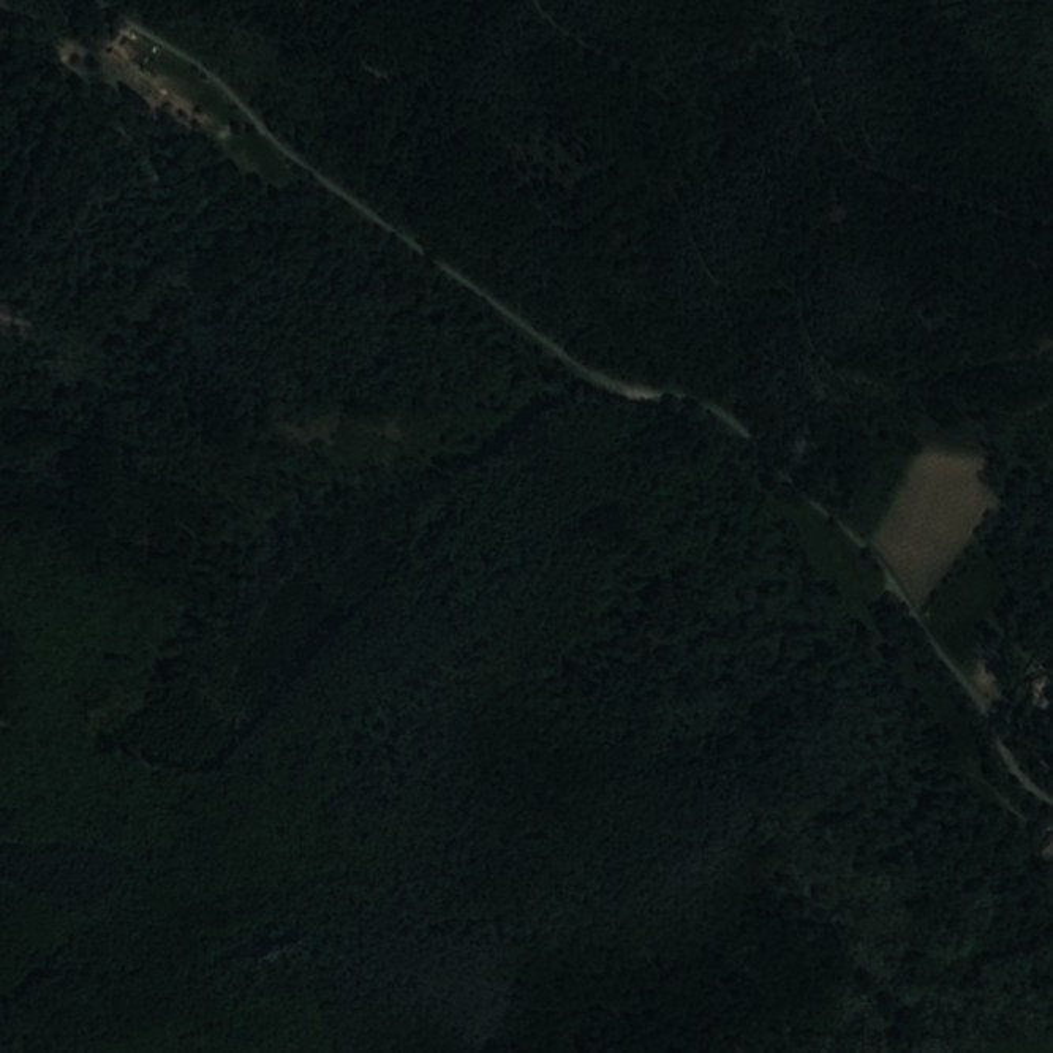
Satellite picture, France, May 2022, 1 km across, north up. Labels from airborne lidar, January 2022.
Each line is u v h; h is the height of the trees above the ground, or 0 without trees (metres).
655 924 17
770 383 20
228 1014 11
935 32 26
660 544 25
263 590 24
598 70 18
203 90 0
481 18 23
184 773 18
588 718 18
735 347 19
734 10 24
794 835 14
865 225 16
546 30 17
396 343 26
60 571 23
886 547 0
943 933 19
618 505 18
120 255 19
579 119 20
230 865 22
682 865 15
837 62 15
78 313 14
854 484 19
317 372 16
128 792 17
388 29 17
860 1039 25
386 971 17
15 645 14
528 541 14
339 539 21
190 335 31
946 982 24
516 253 24
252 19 16
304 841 11
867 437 20
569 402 26
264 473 7
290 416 10
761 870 17
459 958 13
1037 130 18
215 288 32
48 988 20
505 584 15
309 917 16
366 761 16
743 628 22
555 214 11
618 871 21
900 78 21
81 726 22
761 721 24
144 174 26
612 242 26
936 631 0
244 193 24
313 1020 15
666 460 20
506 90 14
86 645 20
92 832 13
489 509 10
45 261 17
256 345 23
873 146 7
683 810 20
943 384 21
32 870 14
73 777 22
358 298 32
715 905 22
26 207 23
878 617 14
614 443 18
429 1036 25
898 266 20
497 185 22
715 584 25
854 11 22
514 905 16
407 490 26
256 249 25
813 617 29
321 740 11
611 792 19
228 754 14
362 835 19
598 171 7
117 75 0
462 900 18
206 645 25
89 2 24
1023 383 15
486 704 18
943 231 19
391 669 19
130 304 23
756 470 14
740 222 20
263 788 14
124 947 21
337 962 15
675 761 23
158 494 21
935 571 0
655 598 26
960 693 14
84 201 15
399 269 20
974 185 17
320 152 18
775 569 26
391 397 20
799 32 14
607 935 16
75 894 13
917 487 0
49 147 21
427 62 19
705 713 20
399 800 18
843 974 24
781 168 20
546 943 18
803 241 20
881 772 23
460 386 22
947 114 22
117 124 23
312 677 22
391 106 22
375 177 17
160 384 27
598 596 17
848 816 27
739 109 21
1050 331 10
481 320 20
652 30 10
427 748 22
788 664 16
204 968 15
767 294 14
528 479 14
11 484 23
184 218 26
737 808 12
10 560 23
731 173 23
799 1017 21
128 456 18
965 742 0
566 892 14
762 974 31
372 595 24
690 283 16
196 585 25
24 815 17
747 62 18
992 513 7
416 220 21
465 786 21
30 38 20
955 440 0
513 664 18
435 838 19
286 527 21
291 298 20
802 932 20
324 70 20
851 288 14
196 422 22
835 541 0
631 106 15
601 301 19
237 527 24
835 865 19
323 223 20
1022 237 17
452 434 25
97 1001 20
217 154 29
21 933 14
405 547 25
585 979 30
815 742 21
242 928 18
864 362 15
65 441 26
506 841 27
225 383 21
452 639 12
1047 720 16
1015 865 20
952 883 26
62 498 25
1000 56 20
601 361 9
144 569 30
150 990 18
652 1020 29
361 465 23
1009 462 16
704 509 25
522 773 27
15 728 15
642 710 24
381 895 15
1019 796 13
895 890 21
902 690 20
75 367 23
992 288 18
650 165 23
